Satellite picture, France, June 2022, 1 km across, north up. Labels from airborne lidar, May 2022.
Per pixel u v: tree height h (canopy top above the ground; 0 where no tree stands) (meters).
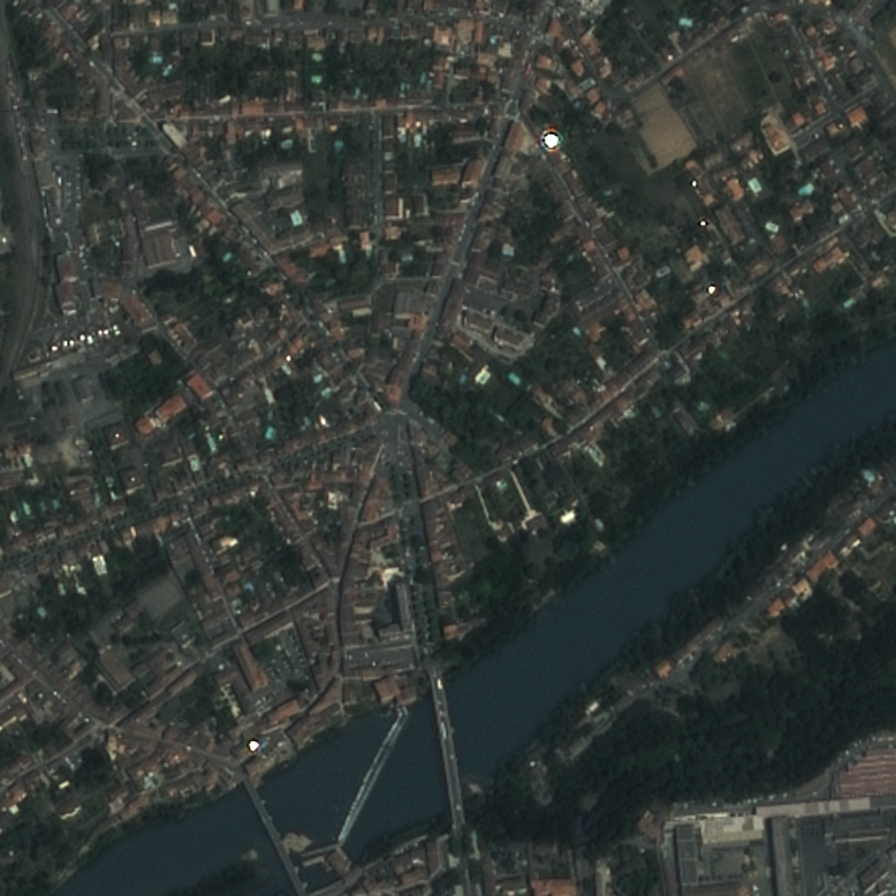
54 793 8
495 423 9
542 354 5
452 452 7
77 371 0
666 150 0
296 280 0
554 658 0
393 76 5
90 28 9
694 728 11
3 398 10
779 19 0
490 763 0
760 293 10
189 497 0
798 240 8
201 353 0
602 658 0
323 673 0
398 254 9
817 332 12
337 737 0
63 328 0
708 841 0
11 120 0
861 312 8
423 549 10
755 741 21
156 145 7
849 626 10
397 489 11
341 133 6
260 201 0
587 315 0
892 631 27
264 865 0
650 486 12
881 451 20
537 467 14
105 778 12
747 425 7
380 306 0
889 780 0
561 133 10
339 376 0
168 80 9
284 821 0
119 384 6
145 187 12
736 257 9
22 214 0
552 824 20
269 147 8
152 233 0
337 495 0
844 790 0
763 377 11
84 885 0
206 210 0
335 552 0
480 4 0
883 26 9
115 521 6
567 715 16
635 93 0
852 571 7
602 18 7
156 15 0
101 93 0
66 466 0
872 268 12
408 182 0
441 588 0
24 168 0
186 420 8
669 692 14
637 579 0
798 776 11
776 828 0
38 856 22
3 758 5
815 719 23
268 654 17
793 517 25
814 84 7
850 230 6
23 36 8
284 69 10
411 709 0
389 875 7
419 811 0
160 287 7
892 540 7
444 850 0
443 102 14
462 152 7
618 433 7
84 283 0
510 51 0
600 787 20
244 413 0
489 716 0
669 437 10
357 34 0
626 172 0
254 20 0
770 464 0
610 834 17
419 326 0
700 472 30
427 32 0
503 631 10
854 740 9
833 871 9
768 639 0
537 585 5
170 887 0
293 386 10
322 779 0
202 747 0
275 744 0
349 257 6
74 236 0
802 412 0
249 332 0
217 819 0
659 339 7
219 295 7
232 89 6
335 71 7
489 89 10
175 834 0
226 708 7
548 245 7
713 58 0
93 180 12
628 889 14
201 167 0
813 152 0
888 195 0
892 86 0
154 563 14
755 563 21
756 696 22
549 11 0
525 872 6
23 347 0
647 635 12
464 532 0
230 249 10
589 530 27
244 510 7
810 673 15
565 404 9
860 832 0
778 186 7
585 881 12
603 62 0
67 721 0
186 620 9
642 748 19
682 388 7
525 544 19
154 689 0
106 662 0
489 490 5
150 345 13
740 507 0
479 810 18
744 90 0
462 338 0
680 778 29
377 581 0
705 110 0
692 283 7
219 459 0
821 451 0
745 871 8
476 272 0
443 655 15
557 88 6
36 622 7
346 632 0
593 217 0
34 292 0
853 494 6
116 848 0
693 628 17
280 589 7
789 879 0
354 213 0
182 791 0
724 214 0
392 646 0
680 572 0
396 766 0
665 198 0
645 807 12
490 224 9
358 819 0
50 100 8
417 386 20
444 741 0
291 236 0
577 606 0
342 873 0
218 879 9
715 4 11
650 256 7
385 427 0
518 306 0
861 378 0
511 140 0
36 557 6
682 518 0
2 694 0
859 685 21
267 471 0
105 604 8
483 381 0
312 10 9
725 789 15
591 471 6
